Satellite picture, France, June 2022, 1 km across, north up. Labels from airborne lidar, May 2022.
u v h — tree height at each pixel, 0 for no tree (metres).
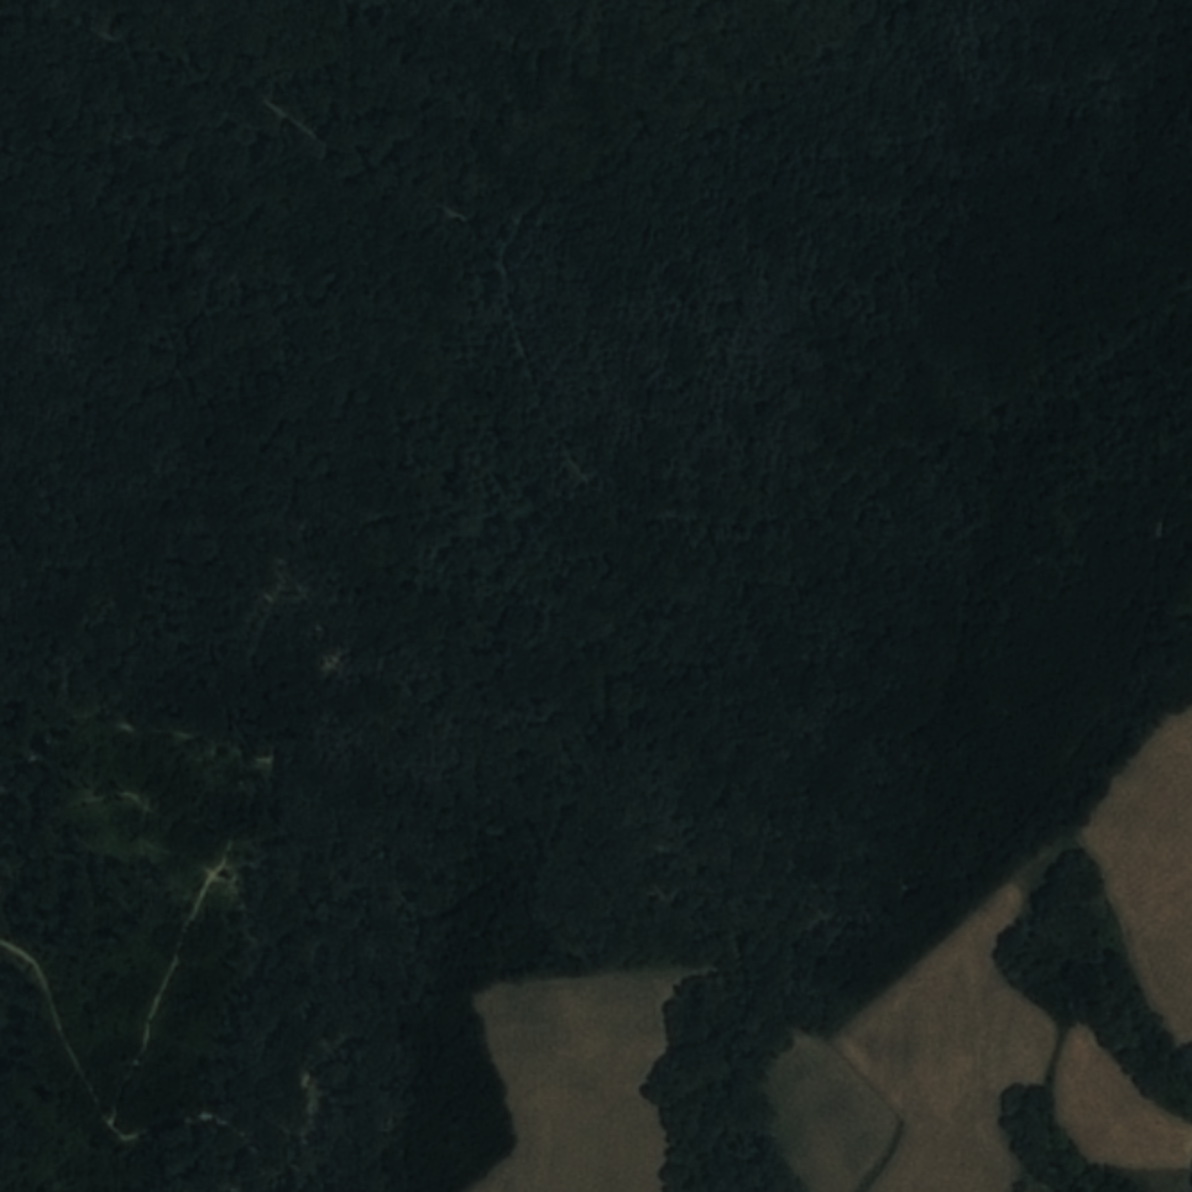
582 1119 0
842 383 15
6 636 24
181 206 21
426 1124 8
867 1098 0
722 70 23
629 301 28
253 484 20
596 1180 0
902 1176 0
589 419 25
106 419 21
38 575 21
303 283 22
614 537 26
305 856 22
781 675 26
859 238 18
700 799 25
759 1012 23
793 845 23
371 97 28
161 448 24
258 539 17
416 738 24
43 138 23
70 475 22
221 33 28
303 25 26
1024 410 28
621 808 24
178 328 13
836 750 25
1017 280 26
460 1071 12
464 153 24
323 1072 25
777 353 23
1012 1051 0
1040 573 12
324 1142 30
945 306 24
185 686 24
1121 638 15
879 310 19
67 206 23
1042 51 28
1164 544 13
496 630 29
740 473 12
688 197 26
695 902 24
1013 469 11
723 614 23
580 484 7
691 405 18
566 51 20
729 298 16
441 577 28
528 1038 0
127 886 27
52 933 8
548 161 28
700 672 20
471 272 27
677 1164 14
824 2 18
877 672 21
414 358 25
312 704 20
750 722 26
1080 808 22
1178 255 19
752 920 22
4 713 19
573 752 23
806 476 19
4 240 23
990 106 24
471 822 20
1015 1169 0
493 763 24
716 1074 22
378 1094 30
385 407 28
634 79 22
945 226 21
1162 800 0
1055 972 7
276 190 28
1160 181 18
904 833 26
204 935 12
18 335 22
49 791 31
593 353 21
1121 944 0
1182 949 0
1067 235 24
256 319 26
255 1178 29
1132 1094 0
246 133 25
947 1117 0
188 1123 12
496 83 27
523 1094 0
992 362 26
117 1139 11
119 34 13
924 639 26
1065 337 25
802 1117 0
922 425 23
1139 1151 0
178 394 30
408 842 23
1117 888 0
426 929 24
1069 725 15
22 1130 31
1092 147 24
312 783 23
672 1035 10
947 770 17
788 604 21
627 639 24
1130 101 25
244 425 25
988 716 12
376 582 24
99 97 25
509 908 21
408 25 19
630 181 23
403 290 24
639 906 20
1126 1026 23
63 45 25
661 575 28
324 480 22
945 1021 0
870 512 21
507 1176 0
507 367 23
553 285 20
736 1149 22
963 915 11
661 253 22
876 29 29
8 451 23
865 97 20
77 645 25
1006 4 22
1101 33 25
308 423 27
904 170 22
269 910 26
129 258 29
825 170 25
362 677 20
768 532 32
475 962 11
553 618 22
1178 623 21
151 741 6
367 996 24
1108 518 11
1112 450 14
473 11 20
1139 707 11
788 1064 0
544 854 25
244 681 23
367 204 24
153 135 21
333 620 22
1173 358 14
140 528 24
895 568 22
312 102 27
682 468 17
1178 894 0
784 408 21
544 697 23
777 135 26
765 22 19
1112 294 19
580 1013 0
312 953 6
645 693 24
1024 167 25
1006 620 8
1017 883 0
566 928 21
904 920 15
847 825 25
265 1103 28
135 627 19
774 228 22
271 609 19
